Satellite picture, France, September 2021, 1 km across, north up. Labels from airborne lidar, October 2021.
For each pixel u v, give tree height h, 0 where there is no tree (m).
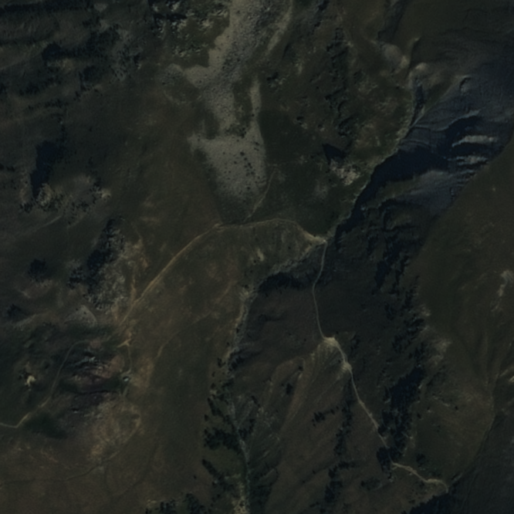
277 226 0
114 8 0
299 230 0
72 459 0
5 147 0
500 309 0
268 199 0
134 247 0
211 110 0
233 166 0
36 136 0
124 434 0
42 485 0
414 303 0
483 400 0
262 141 0
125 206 0
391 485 0
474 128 0
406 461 0
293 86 0
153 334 0
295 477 0
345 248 0
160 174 0
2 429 0
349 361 0
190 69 0
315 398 0
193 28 0
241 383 0
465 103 0
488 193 0
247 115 0
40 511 0
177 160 0
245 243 0
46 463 0
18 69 0
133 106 0
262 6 0
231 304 0
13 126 0
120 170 0
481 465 0
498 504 0
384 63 0
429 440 0
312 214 0
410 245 0
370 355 0
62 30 0
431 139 0
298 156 0
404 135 0
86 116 0
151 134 0
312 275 0
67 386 0
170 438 0
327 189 0
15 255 0
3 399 0
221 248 0
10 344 0
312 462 0
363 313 0
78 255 0
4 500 0
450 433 0
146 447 0
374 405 0
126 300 0
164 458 0
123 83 0
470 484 0
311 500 0
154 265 0
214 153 0
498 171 0
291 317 0
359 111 0
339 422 0
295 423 0
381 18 0
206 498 0
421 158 0
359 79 0
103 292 0
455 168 0
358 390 0
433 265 0
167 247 0
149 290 0
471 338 0
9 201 0
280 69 0
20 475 0
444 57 0
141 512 0
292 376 0
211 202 0
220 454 0
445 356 0
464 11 0
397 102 0
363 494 0
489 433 0
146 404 0
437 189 0
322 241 0
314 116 0
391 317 8
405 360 0
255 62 0
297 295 0
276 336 0
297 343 0
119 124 0
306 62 0
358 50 0
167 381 0
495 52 0
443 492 0
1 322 0
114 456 0
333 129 0
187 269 0
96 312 0
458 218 0
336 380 0
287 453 0
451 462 0
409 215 0
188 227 0
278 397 0
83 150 0
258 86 0
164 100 0
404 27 0
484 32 0
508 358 0
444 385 0
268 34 0
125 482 0
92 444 0
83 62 0
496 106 0
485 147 0
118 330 0
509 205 0
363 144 0
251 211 0
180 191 0
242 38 0
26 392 0
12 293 0
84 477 0
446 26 0
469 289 0
